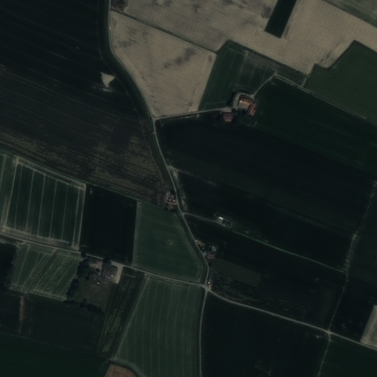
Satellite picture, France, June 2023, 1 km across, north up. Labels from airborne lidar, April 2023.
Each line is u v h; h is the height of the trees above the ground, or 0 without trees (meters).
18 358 0
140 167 0
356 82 0
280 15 0
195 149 0
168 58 0
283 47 0
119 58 0
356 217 0
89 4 0
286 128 0
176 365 0
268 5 0
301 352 0
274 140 0
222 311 0
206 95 0
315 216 0
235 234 0
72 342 0
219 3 0
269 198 0
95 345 0
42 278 0
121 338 0
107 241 0
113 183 0
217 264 0
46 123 0
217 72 0
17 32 0
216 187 0
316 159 0
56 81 0
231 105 13
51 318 0
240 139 0
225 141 0
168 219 0
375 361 0
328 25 0
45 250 0
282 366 0
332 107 0
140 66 0
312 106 0
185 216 0
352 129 0
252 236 0
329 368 0
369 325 0
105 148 0
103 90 0
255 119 0
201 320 0
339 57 0
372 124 0
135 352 0
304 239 0
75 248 0
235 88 0
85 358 0
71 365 0
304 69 0
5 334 0
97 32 0
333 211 0
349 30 0
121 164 0
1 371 0
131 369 0
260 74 0
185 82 0
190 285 0
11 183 0
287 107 0
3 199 0
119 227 0
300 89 0
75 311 0
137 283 0
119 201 0
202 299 0
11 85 0
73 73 0
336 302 0
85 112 0
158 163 0
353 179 0
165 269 0
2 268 0
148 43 0
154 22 0
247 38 0
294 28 0
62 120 0
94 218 0
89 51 0
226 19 0
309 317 0
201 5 0
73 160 0
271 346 0
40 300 0
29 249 0
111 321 0
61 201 0
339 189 0
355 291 0
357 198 0
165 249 0
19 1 0
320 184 0
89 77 0
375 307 0
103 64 0
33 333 0
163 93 0
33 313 0
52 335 0
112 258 0
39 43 0
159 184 0
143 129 0
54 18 0
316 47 0
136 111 0
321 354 0
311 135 0
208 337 0
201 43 0
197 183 0
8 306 0
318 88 0
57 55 0
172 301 0
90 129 0
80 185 0
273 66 0
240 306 0
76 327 0
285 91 0
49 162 0
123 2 0
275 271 0
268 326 0
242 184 0
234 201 0
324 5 0
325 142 0
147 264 0
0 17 0
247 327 0
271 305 0
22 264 0
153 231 0
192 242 0
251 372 0
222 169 0
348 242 0
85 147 0
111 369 0
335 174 0
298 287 0
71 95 0
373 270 0
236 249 0
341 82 0
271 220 0
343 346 0
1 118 0
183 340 0
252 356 0
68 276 0
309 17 0
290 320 0
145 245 0
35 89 0
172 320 0
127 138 0
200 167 0
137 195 0
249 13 0
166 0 0
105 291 0
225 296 0
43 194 0
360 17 0
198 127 0
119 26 0
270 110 0
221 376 0
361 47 0
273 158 0
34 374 0
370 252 0
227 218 0
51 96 0
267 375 0
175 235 0
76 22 0
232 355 0
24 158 0
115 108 0
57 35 0
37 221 0
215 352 0
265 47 0
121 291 0
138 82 0
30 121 0
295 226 0
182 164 0
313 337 0
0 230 0
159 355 0
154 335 0
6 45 0
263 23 0
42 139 0
